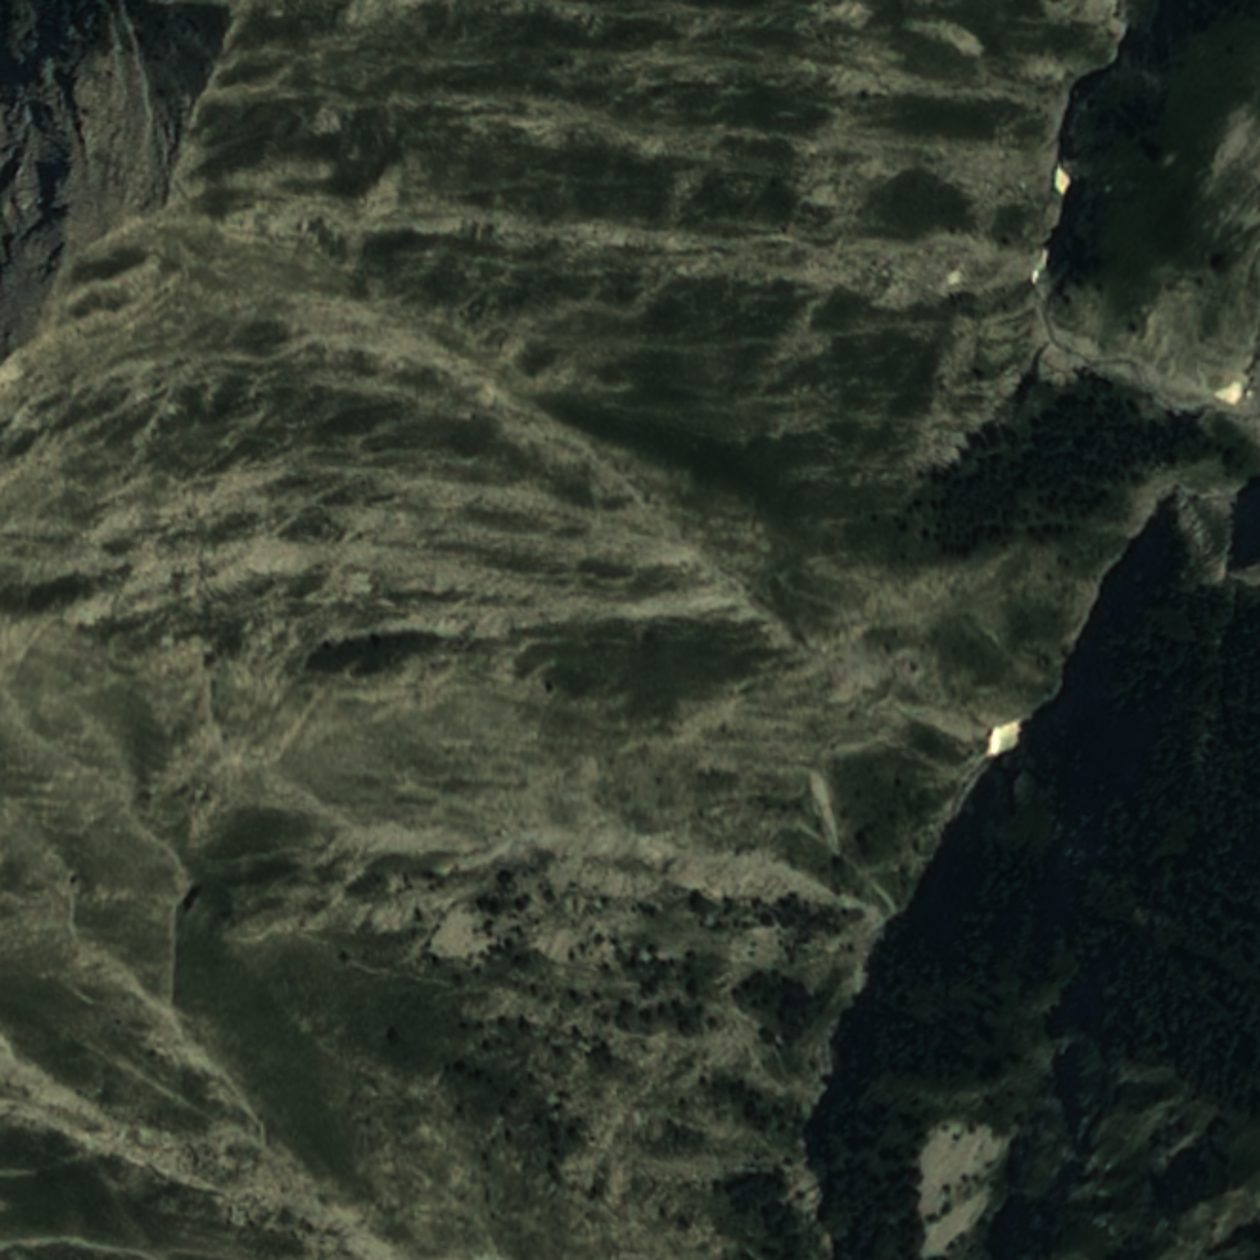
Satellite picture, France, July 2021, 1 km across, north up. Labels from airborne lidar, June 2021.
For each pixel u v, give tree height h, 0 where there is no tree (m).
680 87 0
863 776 0
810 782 0
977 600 0
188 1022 0
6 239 0
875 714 0
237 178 0
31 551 0
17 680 0
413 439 0
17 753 0
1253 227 0
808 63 0
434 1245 0
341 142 0
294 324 0
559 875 0
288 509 0
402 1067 0
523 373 0
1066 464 19
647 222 0
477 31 0
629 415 0
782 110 0
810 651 0
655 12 0
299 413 0
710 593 0
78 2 16
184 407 0
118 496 0
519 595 0
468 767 0
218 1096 0
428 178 0
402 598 0
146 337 0
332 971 0
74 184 0
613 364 0
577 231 0
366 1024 0
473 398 0
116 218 0
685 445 0
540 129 0
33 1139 0
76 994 0
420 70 0
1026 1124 10
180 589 0
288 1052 0
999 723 0
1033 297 0
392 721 0
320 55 0
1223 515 0
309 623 0
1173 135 0
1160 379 0
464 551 0
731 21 0
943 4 0
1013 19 0
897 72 0
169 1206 0
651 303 0
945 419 0
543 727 0
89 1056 0
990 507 14
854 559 0
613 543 0
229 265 0
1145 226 0
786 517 0
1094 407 15
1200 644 7
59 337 0
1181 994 20
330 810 0
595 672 0
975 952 10
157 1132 0
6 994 0
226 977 0
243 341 0
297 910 0
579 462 0
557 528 0
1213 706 7
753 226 0
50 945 0
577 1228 0
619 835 0
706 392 0
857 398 0
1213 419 0
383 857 0
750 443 0
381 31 0
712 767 0
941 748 0
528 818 0
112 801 0
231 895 0
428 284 0
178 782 0
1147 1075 0
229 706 0
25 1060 0
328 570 0
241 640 0
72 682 0
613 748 0
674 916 0
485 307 0
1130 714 7
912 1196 15
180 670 0
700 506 0
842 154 0
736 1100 10
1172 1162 0
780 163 0
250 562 0
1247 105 0
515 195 0
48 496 0
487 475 0
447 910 0
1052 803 0
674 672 0
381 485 0
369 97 0
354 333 0
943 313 0
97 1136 0
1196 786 13
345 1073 0
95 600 0
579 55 0
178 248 0
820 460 0
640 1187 0
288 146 0
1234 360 0
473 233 0
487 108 0
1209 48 0
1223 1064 23
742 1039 0
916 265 0
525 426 0
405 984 0
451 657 0
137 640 0
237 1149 0
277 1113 0
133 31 0
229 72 0
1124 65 0
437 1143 0
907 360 0
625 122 0
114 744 0
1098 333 0
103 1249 0
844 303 0
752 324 0
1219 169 0
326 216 0
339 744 0
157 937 0
